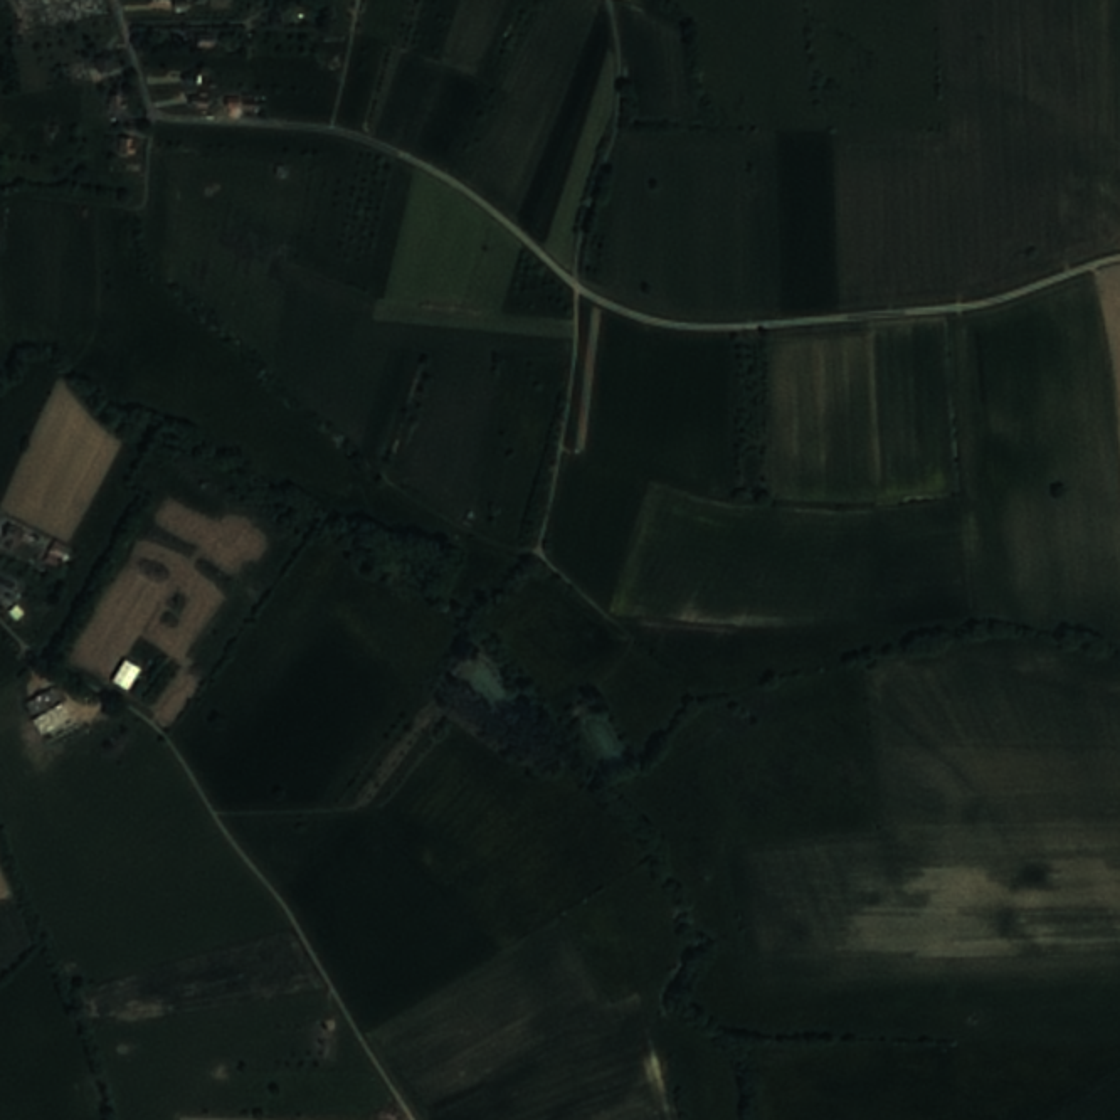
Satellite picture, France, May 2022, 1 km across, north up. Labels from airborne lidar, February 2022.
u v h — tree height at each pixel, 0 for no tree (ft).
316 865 0
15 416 0
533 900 0
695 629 0
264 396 0
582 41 0
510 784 0
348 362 0
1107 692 0
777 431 0
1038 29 0
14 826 0
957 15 0
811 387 0
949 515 0
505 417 0
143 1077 0
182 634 0
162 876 0
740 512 0
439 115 0
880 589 0
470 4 0
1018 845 0
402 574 82
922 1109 0
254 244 0
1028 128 0
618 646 0
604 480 0
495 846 0
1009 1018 0
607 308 0
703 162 0
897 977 0
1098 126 0
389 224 0
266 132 0
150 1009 0
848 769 0
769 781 0
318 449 0
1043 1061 0
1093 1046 0
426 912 0
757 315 0
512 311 0
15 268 0
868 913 0
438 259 0
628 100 21
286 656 0
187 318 0
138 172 0
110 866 0
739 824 0
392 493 0
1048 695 0
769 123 0
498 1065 0
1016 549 0
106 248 0
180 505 0
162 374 0
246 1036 0
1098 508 0
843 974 0
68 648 32
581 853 0
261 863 0
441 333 0
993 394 0
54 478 0
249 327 0
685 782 0
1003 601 0
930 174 0
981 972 0
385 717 0
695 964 62
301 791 0
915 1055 0
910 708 0
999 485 0
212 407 0
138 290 0
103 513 0
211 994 0
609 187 43
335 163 0
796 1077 0
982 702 0
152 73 0
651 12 0
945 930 0
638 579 0
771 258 0
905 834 0
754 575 0
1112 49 0
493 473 0
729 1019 0
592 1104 0
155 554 0
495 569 0
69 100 0
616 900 0
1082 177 0
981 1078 0
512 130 0
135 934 0
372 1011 0
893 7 0
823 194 0
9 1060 0
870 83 0
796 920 0
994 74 0
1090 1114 0
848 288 0
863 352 0
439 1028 0
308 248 0
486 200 0
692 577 0
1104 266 0
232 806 0
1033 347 0
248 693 0
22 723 0
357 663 0
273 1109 0
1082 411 0
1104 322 0
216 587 0
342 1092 0
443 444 0
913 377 0
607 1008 0
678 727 27
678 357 0
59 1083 0
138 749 0
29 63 0
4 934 0
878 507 0
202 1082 0
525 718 77
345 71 0
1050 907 0
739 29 0
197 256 0
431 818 0
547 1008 0
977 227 0
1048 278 0
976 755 0
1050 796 0
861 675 0
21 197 0
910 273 0
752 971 0
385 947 0
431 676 0
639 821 54
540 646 0
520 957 0
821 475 0
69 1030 0
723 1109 0
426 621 0
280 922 0
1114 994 0
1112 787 0
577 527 0
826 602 0
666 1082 0
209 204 0
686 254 0
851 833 0
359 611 0
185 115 0
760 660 0
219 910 0
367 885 0
